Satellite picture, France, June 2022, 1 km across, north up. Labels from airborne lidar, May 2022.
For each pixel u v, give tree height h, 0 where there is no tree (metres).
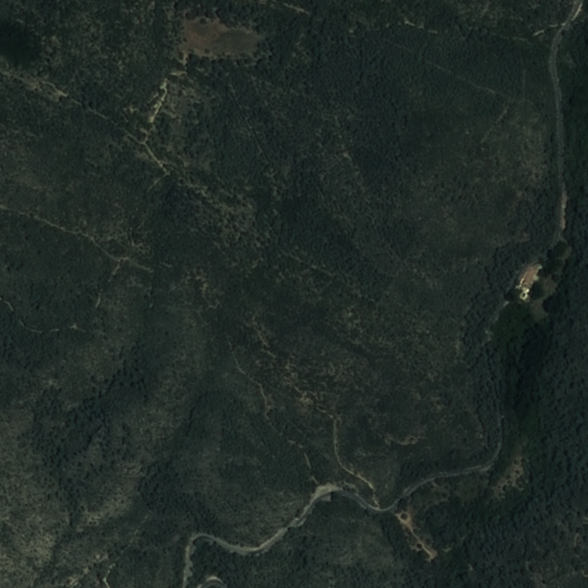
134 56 6
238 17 8
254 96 9
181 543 7
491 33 13
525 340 15
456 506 8
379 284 9
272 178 6
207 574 12
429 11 6
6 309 10
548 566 5
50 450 13
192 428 10
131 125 10
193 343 0
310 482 8
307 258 9
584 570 11
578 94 7
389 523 17
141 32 5
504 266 18
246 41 0
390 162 8
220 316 5
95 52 7
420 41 9
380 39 10
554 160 14
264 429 9
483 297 17
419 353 8
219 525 9
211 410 7
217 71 16
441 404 8
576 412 9
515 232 8
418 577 15
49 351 9
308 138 6
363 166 7
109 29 7
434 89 7
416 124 7
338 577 7
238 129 6
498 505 11
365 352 7
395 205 6
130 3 9
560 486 19
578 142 6
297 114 8
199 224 6
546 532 13
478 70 11
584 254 22
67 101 11
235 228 8
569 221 10
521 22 7
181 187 9
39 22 14
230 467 7
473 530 15
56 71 16
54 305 9
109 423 9
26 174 0
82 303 6
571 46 6
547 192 18
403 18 6
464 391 7
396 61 8
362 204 8
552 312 30
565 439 18
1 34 7
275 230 11
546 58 6
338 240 7
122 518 7
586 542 6
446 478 8
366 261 6
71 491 14
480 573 9
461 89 9
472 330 16
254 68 6
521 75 12
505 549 11
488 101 7
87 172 8
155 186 6
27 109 8
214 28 0
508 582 13
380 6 8
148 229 6
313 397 6
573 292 17
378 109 7
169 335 9
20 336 8
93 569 8
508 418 9
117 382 21
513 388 16
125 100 6
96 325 7
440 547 15
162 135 12
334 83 9
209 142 10
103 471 13
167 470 16
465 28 15
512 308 7
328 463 8
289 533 8
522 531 18
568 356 18
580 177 9
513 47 8
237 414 8
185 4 15
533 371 28
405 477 15
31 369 9
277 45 15
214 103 7
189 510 7
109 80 7
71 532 7
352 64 10
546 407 11
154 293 13
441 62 10
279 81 9
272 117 9
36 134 6
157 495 12
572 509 13
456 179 9
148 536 9
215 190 10
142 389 11
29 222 5
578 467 18
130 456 9
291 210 7
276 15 6
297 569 15
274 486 6
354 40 14
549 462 9
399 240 10
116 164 7
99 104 12
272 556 10
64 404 12
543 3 10
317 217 9
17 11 6
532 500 9
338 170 5
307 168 11
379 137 7
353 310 5
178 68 6
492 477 9
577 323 20
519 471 8
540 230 12
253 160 7
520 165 8
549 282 0
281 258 6
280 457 8
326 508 8
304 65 6
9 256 8
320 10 17
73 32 6
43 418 14
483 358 18
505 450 9
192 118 10
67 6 7
